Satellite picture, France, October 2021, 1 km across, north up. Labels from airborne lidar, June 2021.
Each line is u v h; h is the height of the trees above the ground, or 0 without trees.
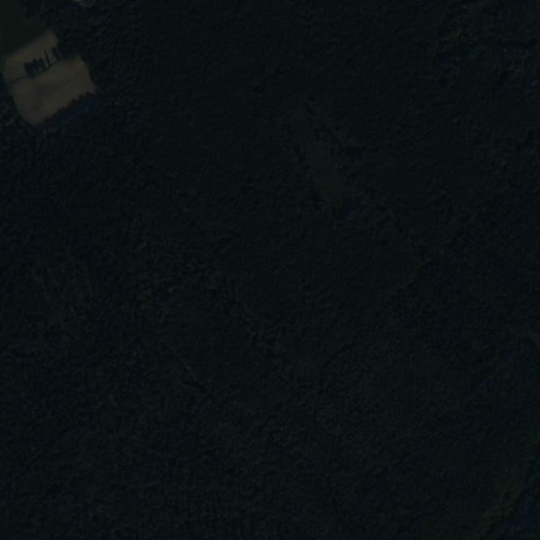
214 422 20
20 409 21
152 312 18
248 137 25
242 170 22
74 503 18
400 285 23
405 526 17
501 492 12
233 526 8
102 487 18
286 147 23
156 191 23
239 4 24
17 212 17
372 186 21
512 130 24
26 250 17
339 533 17
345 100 21
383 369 14
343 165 21
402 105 27
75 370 21
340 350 11
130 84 14
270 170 25
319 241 25
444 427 23
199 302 23
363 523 15
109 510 22
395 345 19
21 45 0
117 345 17
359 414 15
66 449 22
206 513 19
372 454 17
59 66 0
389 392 17
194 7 22
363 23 26
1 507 20
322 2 23
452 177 25
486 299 17
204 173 26
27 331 15
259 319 24
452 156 25
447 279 21
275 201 28
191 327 20
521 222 18
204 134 24
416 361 19
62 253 17
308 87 27
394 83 28
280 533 15
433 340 20
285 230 26
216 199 23
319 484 17
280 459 22
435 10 25
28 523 29
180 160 23
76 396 24
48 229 15
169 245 22
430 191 23
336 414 14
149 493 17
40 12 16
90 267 24
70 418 23
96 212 20
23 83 0
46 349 17
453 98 27
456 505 20
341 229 24
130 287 18
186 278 23
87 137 21
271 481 19
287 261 28
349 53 23
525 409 24
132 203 22
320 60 25
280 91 26
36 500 26
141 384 20
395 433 17
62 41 10
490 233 21
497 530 20
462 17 24
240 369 25
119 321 14
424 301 17
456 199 26
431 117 25
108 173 21
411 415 20
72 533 28
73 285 20
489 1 26
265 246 27
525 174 21
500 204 24
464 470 19
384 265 25
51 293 17
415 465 21
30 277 19
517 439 23
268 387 25
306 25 22
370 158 23
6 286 18
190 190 23
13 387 13
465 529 15
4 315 17
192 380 24
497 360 21
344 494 17
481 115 24
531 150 22
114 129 18
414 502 17
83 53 17
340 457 15
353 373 21
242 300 25
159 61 26
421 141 27
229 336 24
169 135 23
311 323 24
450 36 23
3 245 21
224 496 20
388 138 22
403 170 24
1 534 23
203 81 26
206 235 14
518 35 23
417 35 25
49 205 27
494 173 23
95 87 13
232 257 26
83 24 18
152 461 20
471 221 20
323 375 14
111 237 21
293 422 17
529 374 20
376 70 26
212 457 14
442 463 20
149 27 22
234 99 26
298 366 21
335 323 27
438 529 20
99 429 20
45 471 20
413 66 26
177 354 20
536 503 20
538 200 23
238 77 24
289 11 23
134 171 21
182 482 23
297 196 25
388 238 24
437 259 25
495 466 21
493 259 19
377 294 26
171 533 8
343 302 27
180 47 25
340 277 25
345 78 24
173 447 17
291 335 24
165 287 7
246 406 23
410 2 25
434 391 17
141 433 15
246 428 19
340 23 24
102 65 10
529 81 21
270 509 21
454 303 12
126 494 22
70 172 23
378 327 17
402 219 25
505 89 23
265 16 28
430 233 26
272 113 28
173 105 25
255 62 23
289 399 14
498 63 12
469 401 21
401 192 25
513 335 16
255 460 21
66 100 0
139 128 25
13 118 11
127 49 16
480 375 11
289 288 23
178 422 22
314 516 18
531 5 19
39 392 20
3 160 15
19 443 17
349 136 23
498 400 18
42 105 0
